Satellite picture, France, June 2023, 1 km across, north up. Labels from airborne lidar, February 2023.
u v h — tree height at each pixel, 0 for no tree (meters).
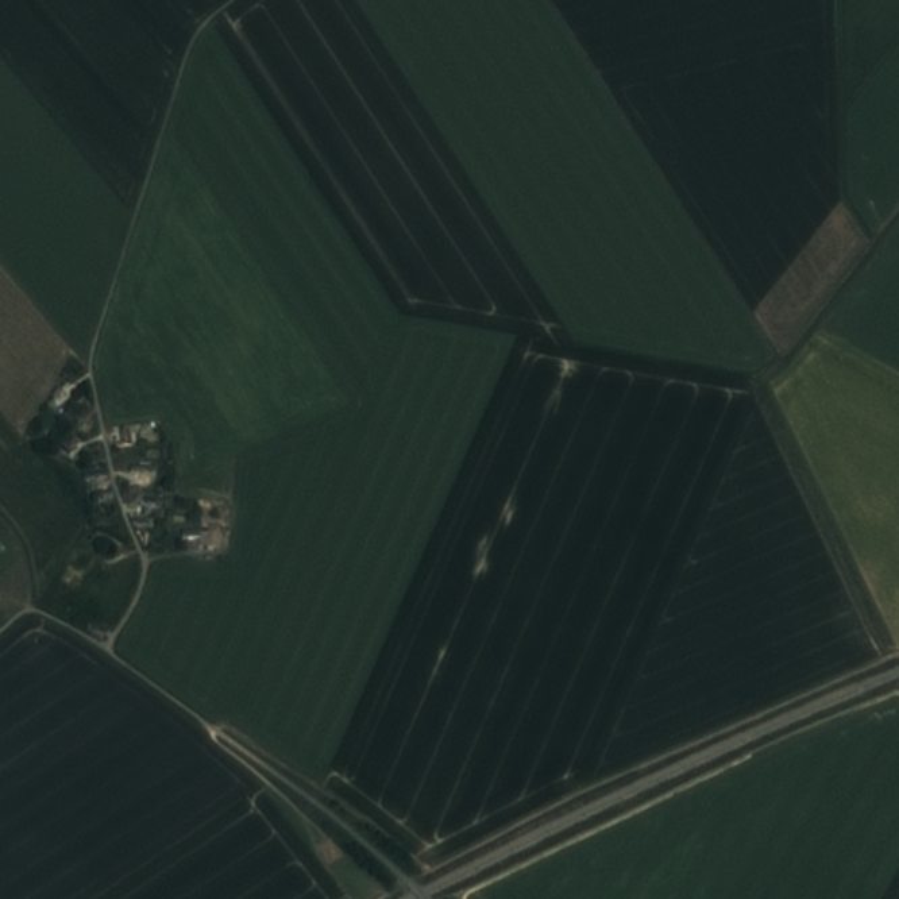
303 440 0
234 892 0
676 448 0
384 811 0
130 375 0
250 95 0
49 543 0
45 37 0
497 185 0
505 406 0
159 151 0
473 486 0
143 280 0
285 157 0
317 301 0
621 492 0
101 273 0
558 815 0
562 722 0
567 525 0
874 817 0
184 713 0
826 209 0
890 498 0
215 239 0
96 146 0
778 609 0
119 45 0
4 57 0
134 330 0
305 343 0
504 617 0
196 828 0
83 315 0
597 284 0
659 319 0
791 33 0
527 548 0
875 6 0
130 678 0
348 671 0
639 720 0
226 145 0
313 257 0
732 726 0
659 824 0
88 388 13
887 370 0
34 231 0
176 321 0
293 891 0
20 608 0
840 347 0
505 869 0
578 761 0
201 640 0
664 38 0
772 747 0
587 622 0
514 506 0
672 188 0
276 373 0
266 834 0
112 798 0
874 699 0
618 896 0
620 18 0
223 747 0
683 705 0
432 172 0
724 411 0
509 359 0
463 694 0
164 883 0
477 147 0
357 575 0
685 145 0
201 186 0
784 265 0
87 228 0
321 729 0
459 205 0
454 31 0
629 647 0
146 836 0
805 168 0
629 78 0
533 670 0
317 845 0
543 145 0
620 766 0
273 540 0
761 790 0
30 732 0
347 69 0
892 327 0
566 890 0
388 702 0
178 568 0
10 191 0
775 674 0
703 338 0
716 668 0
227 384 0
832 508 0
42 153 0
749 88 0
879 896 0
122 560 0
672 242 0
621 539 0
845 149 0
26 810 0
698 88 0
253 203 0
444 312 0
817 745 0
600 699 0
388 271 0
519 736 0
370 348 0
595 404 0
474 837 0
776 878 0
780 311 0
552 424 0
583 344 0
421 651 0
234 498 0
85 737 0
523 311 0
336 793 0
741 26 0
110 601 0
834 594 0
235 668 0
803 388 0
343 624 0
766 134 0
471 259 0
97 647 0
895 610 0
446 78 0
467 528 0
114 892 0
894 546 0
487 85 0
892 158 0
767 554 0
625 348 0
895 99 0
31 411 0
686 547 0
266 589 0
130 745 0
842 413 0
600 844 0
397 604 0
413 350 0
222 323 0
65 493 0
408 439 0
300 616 0
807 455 0
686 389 0
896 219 0
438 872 0
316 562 0
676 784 0
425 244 0
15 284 0
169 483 13
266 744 0
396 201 0
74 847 0
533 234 0
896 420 0
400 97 0
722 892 0
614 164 0
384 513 0
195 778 0
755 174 0
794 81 0
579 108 0
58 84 0
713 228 0
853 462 0
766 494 0
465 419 0
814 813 0
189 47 0
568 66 0
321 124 0
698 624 0
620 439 0
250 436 0
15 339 0
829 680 0
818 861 0
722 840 0
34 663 0
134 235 0
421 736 0
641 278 0
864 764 0
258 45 0
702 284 0
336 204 0
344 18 0
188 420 0
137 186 0
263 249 0
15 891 0
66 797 0
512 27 0
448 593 0
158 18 0
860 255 0
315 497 0
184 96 0
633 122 0
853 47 0
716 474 0
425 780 0
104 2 0
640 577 0
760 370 0
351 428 0
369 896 0
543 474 0
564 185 0
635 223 0
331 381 0
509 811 0
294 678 0
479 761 0
